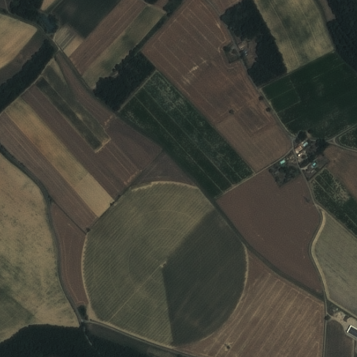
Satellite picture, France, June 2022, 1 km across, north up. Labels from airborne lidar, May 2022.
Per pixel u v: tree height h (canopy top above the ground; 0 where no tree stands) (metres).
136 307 0
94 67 0
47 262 0
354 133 0
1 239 0
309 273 0
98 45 0
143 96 0
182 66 0
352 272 0
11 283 0
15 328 0
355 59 23
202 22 0
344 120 0
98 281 0
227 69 0
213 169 0
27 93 0
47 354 18
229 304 0
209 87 0
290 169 6
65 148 0
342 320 0
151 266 0
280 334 0
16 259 0
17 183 0
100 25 0
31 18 10
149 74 10
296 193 0
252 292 0
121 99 12
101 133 0
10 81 14
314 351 0
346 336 0
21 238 0
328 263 0
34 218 0
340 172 0
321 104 0
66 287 0
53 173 0
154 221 0
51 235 0
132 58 7
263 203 0
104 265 0
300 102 0
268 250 0
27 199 0
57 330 13
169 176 0
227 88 0
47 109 0
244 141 0
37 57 14
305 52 0
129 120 0
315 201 0
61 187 0
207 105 0
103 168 0
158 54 0
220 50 0
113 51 0
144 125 0
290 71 0
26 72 15
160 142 0
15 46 0
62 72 0
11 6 13
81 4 0
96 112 0
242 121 0
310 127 0
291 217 0
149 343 0
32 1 13
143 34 0
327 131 0
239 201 0
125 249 0
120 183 0
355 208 0
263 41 12
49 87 0
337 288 0
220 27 0
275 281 0
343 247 0
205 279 0
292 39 0
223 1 0
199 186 0
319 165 0
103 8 0
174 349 0
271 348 0
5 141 0
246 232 0
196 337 0
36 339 16
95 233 0
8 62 0
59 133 0
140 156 0
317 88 0
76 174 0
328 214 0
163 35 0
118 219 0
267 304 0
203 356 0
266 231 0
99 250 0
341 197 0
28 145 0
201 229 0
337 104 0
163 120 0
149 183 0
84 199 0
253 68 13
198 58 0
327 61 0
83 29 0
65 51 0
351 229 0
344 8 9
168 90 0
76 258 0
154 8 0
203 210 0
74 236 0
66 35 0
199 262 0
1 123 0
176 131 0
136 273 0
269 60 16
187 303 0
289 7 0
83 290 0
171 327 0
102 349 20
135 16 0
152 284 0
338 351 0
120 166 0
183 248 0
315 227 0
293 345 0
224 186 0
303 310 0
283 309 0
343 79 0
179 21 0
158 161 0
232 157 0
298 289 0
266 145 0
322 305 0
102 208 0
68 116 0
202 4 0
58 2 0
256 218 0
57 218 0
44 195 0
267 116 0
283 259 0
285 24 0
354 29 21
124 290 0
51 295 0
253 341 0
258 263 0
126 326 0
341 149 0
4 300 0
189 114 0
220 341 0
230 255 0
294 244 0
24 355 22
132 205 0
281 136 0
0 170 0
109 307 0
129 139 0
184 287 0
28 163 0
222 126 0
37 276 0
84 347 18
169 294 0
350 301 0
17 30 0
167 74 0
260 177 0
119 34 0
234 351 0
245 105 0
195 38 0
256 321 0
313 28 0
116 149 0
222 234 0
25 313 0
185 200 0
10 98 16
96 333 0
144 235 0
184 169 0
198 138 0
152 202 0
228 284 0
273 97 0
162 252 0
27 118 0
